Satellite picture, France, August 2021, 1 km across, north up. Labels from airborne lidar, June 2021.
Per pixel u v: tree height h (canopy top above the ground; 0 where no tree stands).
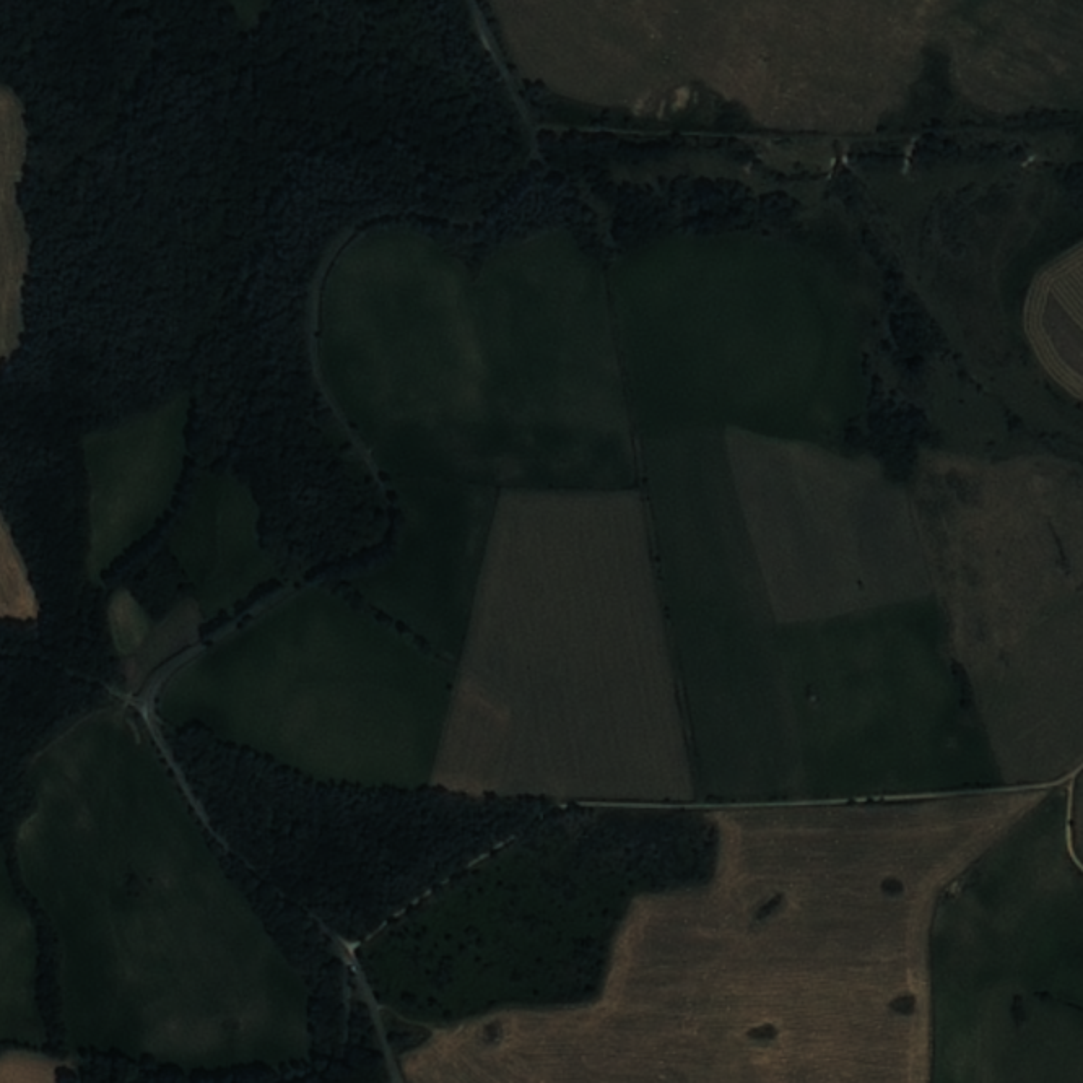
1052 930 0
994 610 0
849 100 0
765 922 0
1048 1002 7
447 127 14
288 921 20
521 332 0
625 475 0
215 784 11
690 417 0
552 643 0
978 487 0
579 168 14
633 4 0
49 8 19
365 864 15
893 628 0
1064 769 0
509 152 10
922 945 0
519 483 0
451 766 0
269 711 0
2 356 0
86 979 0
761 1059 0
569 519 0
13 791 17
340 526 11
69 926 0
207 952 0
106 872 0
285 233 16
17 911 0
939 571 0
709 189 8
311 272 11
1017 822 0
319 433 9
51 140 15
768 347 0
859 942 0
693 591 0
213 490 0
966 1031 0
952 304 0
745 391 0
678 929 0
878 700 0
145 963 0
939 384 0
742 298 0
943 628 0
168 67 21
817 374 0
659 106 0
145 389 19
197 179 17
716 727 0
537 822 9
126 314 19
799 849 0
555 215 18
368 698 0
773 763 0
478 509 0
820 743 0
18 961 0
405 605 0
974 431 0
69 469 21
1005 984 0
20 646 15
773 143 0
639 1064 0
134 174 18
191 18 17
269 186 11
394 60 15
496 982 0
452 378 0
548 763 0
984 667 0
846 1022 0
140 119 18
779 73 0
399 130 10
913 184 0
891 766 0
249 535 0
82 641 23
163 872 0
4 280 0
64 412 20
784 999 0
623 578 0
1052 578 0
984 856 0
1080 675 0
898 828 0
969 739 0
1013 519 0
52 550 20
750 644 0
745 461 0
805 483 0
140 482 0
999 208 0
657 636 0
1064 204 0
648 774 0
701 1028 0
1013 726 0
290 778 10
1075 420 0
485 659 0
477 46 12
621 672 0
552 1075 0
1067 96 0
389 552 16
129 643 0
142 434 0
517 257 0
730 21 0
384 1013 0
